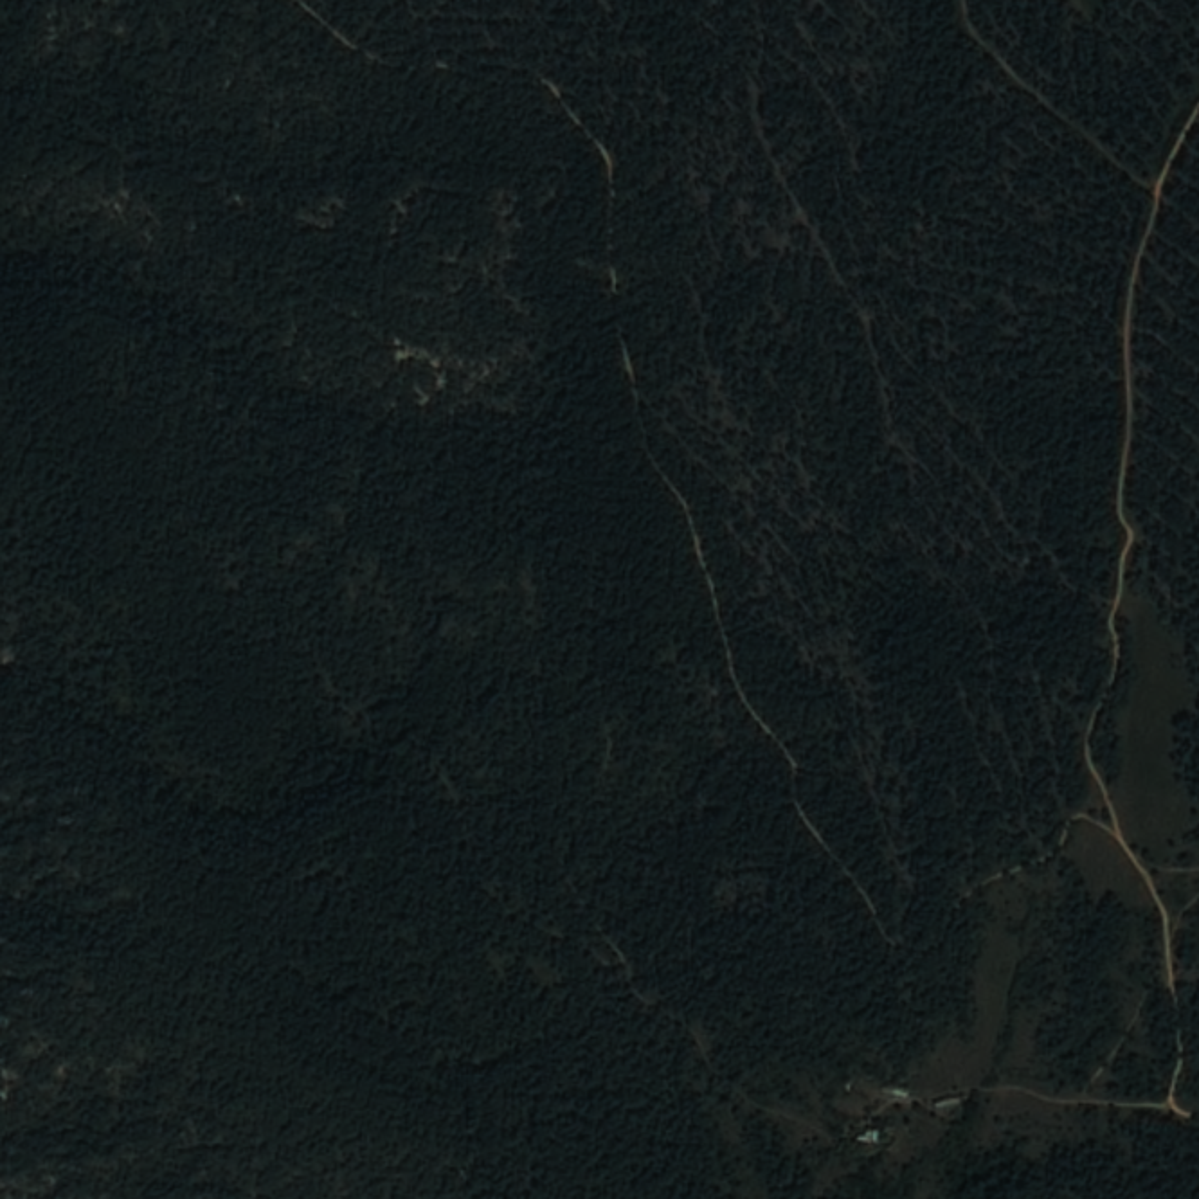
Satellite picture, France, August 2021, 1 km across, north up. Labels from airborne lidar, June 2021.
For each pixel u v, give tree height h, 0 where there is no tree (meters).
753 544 15
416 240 7
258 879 8
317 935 11
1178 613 8
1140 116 10
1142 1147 7
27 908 10
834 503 11
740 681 8
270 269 6
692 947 6
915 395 17
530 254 8
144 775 11
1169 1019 8
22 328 9
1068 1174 9
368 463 9
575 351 10
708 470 9
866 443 7
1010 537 9
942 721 6
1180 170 12
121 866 6
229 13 6
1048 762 9
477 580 7
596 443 10
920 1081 0
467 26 11
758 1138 7
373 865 9
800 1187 9
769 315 9
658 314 7
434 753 11
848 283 8
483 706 7
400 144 10
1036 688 11
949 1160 5
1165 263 12
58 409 10
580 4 9
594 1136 7
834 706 14
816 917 9
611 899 12
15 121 8
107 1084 8
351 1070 7
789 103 7
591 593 9
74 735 10
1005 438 10
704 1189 8
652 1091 9
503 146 12
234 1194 8
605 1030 9
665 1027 7
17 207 8
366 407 10
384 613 7
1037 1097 0
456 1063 8
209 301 6
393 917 9
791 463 8
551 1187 8
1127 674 9
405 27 9
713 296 13
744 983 9
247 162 12
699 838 14
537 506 7
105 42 7
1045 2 8
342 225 9
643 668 8
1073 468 7
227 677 11
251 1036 6
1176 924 0
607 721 5
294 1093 7
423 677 12
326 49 7
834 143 11
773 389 8
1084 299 10
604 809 8
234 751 10
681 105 13
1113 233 10
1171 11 11
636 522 9
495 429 9
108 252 6
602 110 7
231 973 7
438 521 9
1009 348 7
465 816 7
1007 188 8
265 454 9
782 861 9
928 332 11
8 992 7
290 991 15
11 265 15
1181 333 11
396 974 8
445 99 8
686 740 7
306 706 8
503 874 9
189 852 9
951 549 13
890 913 6
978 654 12
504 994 12
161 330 11
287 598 9
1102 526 8
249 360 10
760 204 11
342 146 12
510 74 8
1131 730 0
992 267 8
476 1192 7
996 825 8
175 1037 7
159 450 7
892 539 13
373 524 9
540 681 8
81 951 7
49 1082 7
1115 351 11
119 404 6
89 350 7
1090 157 9
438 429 8
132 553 7
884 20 7
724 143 12
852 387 9
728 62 11
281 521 8
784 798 12
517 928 10
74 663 6
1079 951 9
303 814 9
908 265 11
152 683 9
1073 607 8
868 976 7
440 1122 6
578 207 9
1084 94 10
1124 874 0
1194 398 15
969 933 9
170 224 6
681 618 8
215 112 7
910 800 7
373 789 10
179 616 7
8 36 7
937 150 10
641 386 7
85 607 8
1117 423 9
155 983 7
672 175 9
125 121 12
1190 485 10
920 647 8
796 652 14
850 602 9
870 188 10
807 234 8
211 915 7
